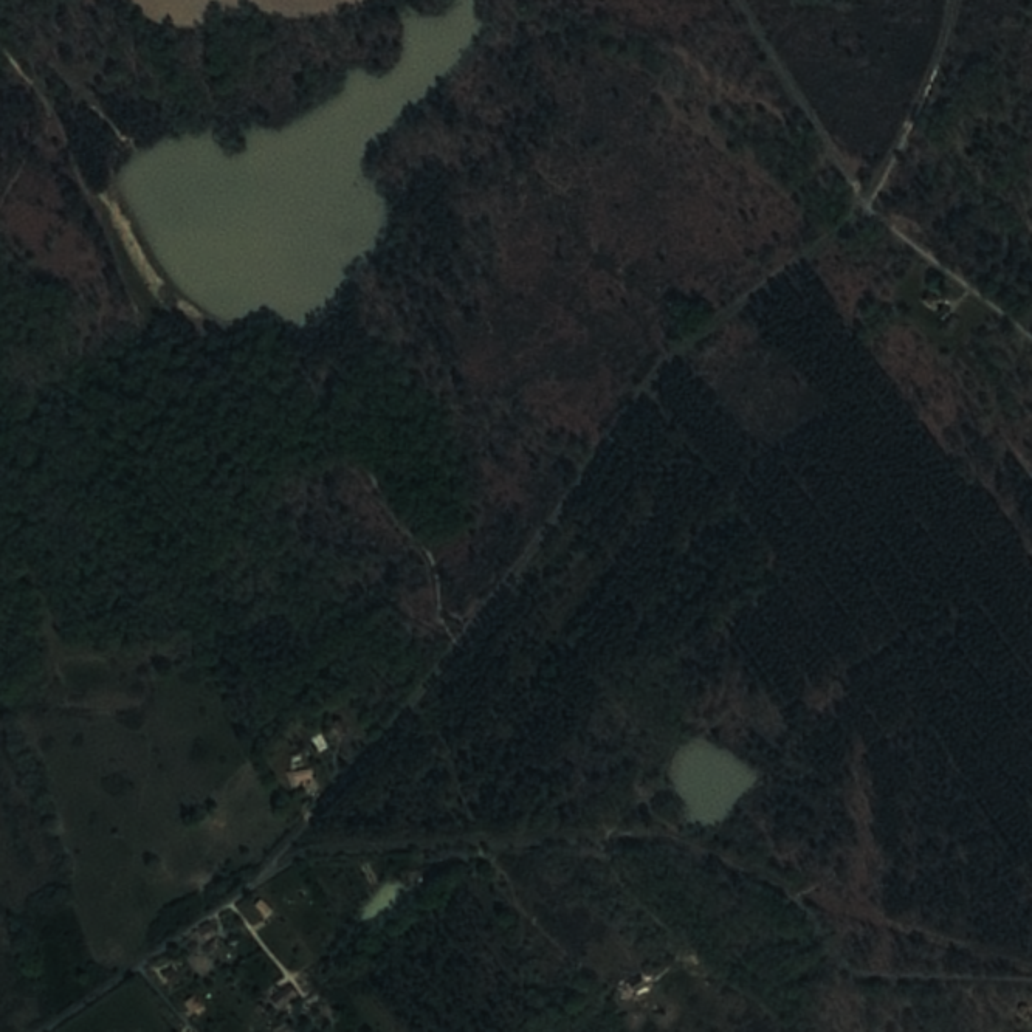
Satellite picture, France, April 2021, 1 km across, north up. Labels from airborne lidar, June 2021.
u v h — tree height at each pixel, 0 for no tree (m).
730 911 9
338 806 20
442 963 22
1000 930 14
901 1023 15
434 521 20
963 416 11
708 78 10
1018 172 15
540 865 10
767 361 11
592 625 22
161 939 7
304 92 12
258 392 20
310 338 14
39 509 16
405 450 21
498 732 22
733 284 8
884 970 11
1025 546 20
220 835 0
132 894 0
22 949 17
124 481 11
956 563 20
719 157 7
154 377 16
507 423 11
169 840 0
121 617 17
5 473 23
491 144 11
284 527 16
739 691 9
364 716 14
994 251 16
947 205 9
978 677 17
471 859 7
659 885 21
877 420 17
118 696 0
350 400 22
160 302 0
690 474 23
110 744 0
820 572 16
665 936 13
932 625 18
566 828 12
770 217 11
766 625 20
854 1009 12
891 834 16
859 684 18
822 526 17
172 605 17
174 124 10
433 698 18
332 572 19
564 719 22
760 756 6
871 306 18
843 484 18
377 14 19
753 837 17
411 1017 23
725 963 21
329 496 8
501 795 20
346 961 16
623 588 19
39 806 10
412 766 20
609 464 22
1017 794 15
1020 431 16
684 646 10
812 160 18
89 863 0
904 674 18
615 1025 5
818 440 17
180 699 0
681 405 17
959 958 18
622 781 15
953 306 0
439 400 11
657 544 20
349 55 9
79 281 10
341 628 21
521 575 0
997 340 16
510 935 11
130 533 21
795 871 16
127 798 0
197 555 22
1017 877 14
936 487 20
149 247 0
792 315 20
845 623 18
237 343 15
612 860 15
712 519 18
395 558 10
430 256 14
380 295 9
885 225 15
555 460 10
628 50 15
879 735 14
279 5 0
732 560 21
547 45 7
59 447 23
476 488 12
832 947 12
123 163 8
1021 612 19
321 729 12
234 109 6
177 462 16
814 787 12
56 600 20
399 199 16
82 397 11
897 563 19
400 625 13
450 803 14
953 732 15
